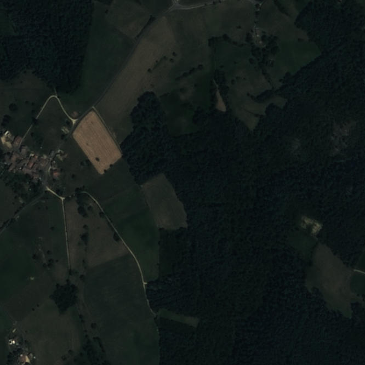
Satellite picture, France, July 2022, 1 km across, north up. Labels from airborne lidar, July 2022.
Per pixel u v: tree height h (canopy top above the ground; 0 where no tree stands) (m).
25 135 0
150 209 0
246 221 21
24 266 0
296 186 23
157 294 24
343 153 11
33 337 0
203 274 24
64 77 18
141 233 0
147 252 0
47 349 0
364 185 30
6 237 0
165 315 0
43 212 0
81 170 0
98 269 0
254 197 24
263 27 0
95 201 6
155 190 0
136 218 0
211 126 34
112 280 0
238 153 17
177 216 0
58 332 0
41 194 0
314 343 22
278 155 17
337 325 28
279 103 0
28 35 25
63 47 22
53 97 0
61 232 0
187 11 0
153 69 0
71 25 9
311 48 0
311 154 16
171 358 18
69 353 9
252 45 11
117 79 0
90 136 0
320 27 26
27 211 0
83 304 0
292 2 0
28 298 0
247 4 0
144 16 0
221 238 7
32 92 0
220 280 23
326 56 20
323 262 0
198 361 21
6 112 0
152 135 19
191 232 17
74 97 0
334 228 10
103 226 0
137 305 0
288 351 26
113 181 0
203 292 25
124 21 0
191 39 0
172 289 22
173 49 0
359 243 20
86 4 15
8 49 22
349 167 11
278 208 39
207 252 33
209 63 0
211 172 24
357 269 0
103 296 0
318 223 0
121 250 0
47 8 28
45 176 0
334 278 0
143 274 0
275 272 28
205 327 9
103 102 0
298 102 9
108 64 0
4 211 0
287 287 20
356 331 24
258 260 22
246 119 0
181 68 0
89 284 0
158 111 35
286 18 0
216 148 32
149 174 28
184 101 0
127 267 0
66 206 0
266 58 14
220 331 21
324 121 9
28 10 33
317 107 12
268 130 13
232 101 0
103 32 0
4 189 0
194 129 0
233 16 0
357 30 23
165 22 0
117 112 0
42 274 0
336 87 18
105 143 0
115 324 0
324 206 19
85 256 0
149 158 14
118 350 0
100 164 0
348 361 29
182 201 15
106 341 0
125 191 0
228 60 0
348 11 25
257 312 13
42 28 30
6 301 0
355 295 0
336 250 15
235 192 25
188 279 21
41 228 0
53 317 0
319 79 22
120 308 0
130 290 0
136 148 29
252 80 0
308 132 12
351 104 20
